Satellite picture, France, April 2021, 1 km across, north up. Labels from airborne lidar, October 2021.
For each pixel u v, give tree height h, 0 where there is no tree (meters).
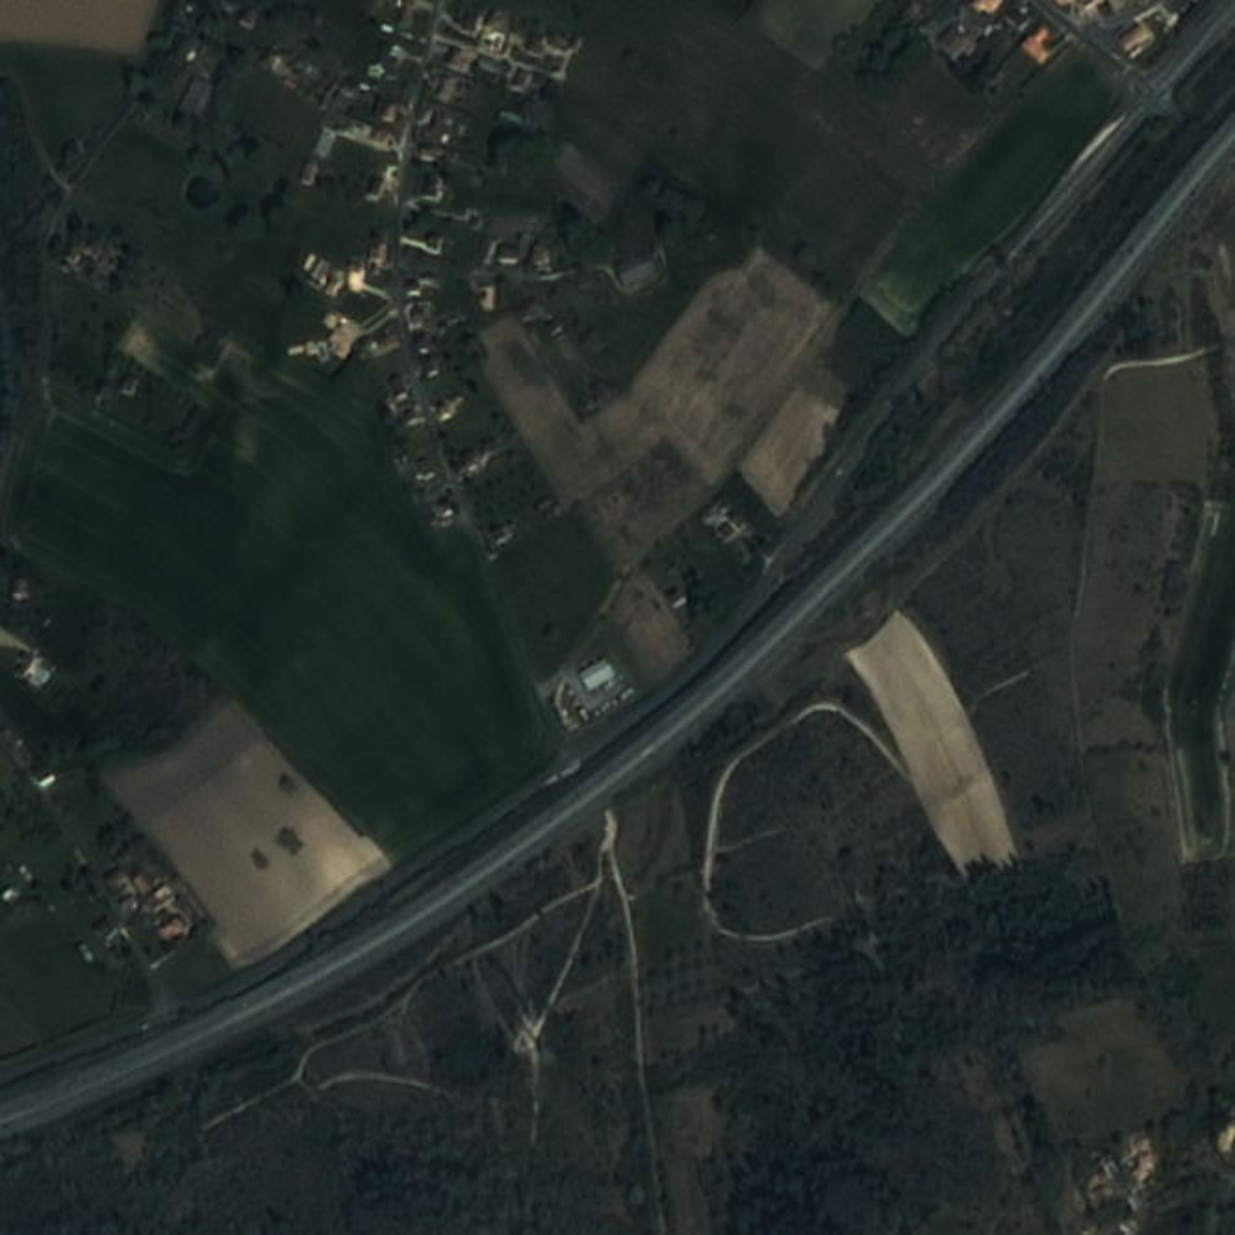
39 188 5
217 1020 0
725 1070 6
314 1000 0
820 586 0
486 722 0
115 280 11
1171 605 14
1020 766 0
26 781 11
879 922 7
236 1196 9
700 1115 0
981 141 7
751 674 0
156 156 0
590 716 0
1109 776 0
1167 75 0
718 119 0
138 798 0
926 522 0
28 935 0
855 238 0
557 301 10
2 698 0
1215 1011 0
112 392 13
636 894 0
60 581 0
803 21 0
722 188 0
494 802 0
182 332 0
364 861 0
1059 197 0
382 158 0
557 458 0
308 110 0
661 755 0
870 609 0
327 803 0
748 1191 15
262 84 0
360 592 0
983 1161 21
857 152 0
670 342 0
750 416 0
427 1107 10
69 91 0
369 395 0
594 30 0
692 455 0
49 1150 14
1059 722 0
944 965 10
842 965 11
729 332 0
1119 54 0
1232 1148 10
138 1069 0
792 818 0
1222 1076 9
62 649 0
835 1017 8
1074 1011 14
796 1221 18
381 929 0
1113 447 0
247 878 0
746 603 0
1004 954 6
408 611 0
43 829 6
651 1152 16
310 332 0
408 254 8
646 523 0
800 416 0
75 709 0
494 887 0
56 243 11
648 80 0
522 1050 0
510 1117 9
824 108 0
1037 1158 9
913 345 13
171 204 0
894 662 0
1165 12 0
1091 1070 0
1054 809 6
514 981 0
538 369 0
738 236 0
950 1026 8
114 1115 7
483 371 0
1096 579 0
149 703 0
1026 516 0
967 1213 17
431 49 0
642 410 0
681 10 0
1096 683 0
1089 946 16
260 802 0
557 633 12
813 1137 14
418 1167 11
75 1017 0
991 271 0
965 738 0
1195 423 0
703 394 0
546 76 10
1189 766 0
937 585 0
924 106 0
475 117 0
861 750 0
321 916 0
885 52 15
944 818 0
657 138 0
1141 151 9
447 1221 23
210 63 0
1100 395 0
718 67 0
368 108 9
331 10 0
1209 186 0
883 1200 22
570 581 0
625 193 0
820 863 0
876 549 0
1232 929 0
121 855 10
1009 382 0
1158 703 7
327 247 0
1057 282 6
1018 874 6
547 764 0
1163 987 8
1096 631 0
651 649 0
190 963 0
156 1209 16
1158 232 0
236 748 0
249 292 0
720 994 8
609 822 0
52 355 0
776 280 0
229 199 0
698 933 0
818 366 0
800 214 0
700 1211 0
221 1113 6
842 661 0
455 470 8
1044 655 0
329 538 0
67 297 0
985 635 0
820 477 0
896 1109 15
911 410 15
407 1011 0
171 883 8
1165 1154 6
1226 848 0
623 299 0
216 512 0
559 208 7
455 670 0
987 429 0
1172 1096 0
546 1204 19
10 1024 0
